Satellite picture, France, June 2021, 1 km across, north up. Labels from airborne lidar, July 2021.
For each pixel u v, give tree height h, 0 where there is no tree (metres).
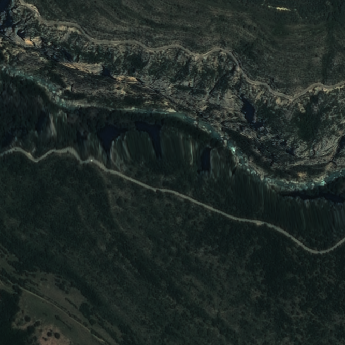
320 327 8
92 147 9
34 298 0
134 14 0
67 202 7
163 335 8
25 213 6
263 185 6
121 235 8
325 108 8
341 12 9
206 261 7
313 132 10
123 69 6
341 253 6
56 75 13
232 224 10
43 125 25
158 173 7
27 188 6
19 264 11
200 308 6
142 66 6
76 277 9
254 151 11
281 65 0
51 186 9
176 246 7
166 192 6
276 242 10
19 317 0
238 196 10
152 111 0
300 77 0
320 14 8
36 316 0
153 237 6
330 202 20
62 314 0
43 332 0
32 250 9
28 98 9
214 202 6
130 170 9
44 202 6
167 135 22
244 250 7
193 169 11
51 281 0
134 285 9
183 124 7
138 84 10
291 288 5
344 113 6
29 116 18
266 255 7
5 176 6
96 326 0
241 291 6
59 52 7
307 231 8
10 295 13
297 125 7
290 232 7
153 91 8
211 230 7
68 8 0
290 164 37
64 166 7
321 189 25
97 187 7
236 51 6
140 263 10
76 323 0
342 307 8
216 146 15
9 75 12
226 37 0
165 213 6
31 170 8
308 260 9
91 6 0
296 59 0
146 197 6
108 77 6
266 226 10
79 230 7
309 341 9
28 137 10
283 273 11
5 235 8
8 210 7
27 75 0
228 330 8
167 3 0
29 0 0
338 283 8
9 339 19
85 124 15
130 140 9
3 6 7
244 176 7
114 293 7
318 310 9
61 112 20
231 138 7
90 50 33
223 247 8
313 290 9
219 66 9
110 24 0
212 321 7
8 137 23
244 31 0
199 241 8
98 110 12
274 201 13
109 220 8
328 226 9
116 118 16
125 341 7
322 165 9
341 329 11
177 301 7
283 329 7
